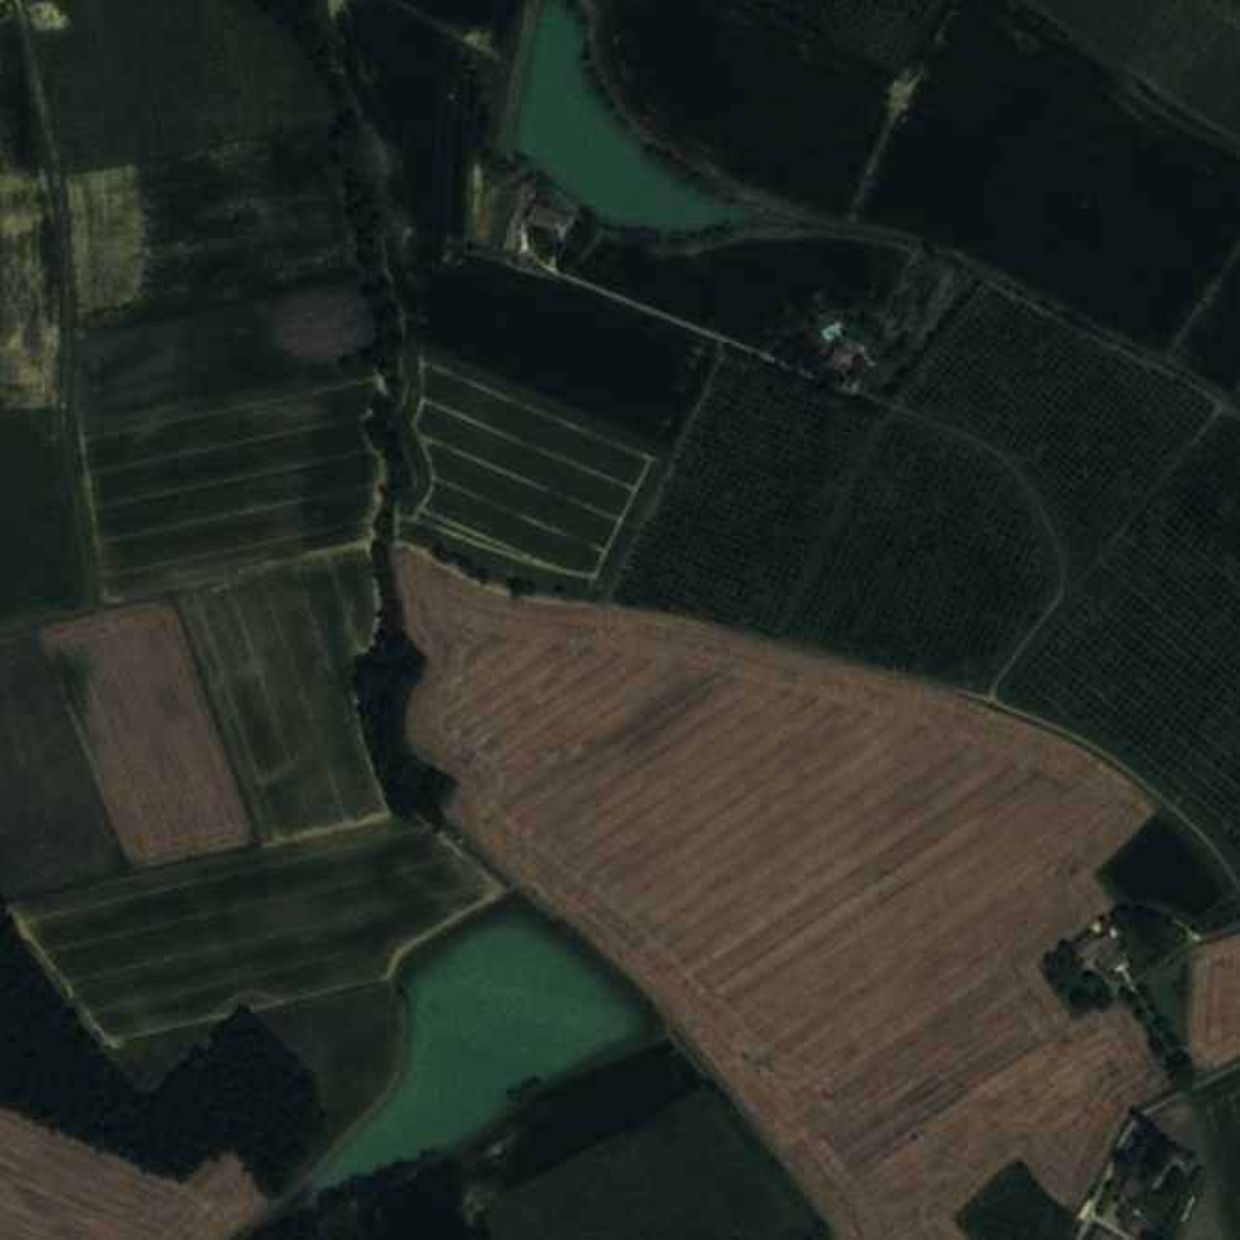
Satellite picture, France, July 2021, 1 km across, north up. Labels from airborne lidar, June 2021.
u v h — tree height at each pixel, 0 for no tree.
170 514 0
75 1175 0
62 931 0
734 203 7
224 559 0
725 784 0
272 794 0
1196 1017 0
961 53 0
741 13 0
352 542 0
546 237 9
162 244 0
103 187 0
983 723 0
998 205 0
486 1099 0
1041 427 6
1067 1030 0
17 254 0
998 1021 0
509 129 0
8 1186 0
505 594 0
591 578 0
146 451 0
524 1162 0
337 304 0
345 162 22
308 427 0
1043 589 5
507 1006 0
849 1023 0
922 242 0
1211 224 0
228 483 0
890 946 0
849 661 0
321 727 0
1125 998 7
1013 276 0
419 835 0
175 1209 0
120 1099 22
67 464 0
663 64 0
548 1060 0
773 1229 0
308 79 0
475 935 0
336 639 0
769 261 0
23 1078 18
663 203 0
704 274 0
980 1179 0
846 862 0
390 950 0
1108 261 0
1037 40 0
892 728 0
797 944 0
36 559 0
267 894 0
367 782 0
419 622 0
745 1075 0
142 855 0
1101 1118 0
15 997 21
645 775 0
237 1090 16
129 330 0
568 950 0
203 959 0
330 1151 0
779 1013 0
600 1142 0
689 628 0
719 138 0
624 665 0
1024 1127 0
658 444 0
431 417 0
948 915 0
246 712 0
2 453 0
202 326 0
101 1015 0
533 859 0
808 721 0
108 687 0
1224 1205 0
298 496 0
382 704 16
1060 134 0
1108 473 5
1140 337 0
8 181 0
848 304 0
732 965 0
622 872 0
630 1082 0
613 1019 0
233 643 0
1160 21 0
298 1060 10
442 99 0
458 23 0
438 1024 0
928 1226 0
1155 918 17
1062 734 0
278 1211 0
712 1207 0
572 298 0
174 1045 0
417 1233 0
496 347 0
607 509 0
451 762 0
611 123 0
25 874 0
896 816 0
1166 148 0
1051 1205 8
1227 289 0
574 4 5
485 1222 0
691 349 0
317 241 0
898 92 0
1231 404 0
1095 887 0
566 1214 0
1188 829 0
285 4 29
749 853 0
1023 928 0
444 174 0
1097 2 0
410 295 0
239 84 0
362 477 0
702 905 0
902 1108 0
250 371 0
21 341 0
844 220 0
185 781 0
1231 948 0
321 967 0
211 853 0
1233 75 0
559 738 0
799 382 11
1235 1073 0
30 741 0
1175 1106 0
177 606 0
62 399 0
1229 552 6
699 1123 0
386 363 18
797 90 0
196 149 0
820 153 0
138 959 0
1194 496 6
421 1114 0
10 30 0
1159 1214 0
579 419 0
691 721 0
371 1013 0
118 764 0
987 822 0
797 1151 0
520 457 0
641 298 0
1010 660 0
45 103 0
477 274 0
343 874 0
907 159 0
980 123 0
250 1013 12
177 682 0
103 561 0
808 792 0
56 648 0
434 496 0
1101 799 0
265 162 0
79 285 0
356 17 0
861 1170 0
